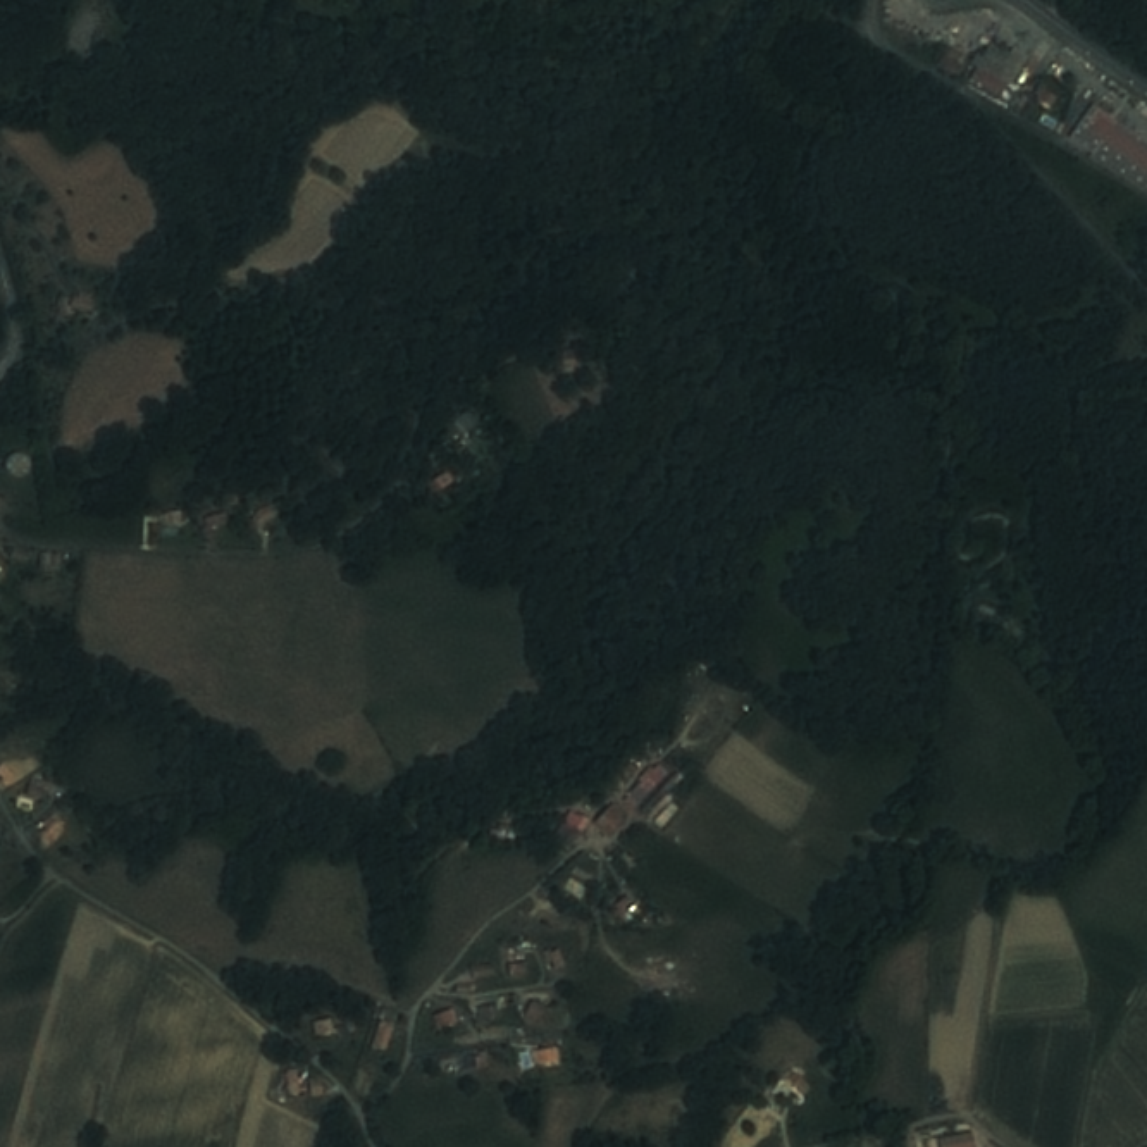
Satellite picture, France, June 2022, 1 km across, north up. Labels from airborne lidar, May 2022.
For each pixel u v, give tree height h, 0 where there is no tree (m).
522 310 29
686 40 29
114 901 0
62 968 0
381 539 15
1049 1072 0
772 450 24
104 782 0
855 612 21
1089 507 17
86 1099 0
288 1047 17
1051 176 0
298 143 19
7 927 0
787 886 0
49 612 6
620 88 20
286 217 21
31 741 0
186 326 7
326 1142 19
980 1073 0
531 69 30
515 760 22
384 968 12
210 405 22
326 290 18
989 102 0
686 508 29
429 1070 15
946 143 21
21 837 0
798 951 26
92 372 0
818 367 15
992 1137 0
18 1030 0
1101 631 6
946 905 0
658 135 24
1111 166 0
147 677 11
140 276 22
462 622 0
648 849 0
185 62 31
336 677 0
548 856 11
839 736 27
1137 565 22
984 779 0
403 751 0
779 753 0
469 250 19
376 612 0
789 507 20
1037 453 20
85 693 22
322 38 28
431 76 25
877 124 25
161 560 0
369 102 19
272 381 11
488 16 16
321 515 13
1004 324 14
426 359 25
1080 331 13
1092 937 0
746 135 25
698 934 0
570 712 26
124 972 0
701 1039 0
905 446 30
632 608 25
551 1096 0
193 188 24
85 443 0
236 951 0
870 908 26
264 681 0
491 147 19
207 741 21
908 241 27
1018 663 23
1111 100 0
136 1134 0
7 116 15
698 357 12
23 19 23
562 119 8
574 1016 0
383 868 21
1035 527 18
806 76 20
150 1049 0
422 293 18
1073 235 14
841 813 0
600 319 22
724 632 25
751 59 33
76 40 0
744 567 12
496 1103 0
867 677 26
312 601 0
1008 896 20
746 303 11
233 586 0
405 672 0
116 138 20
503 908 0
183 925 0
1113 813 16
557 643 22
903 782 0
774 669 0
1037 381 25
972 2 0
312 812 28
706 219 14
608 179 22
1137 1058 0
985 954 0
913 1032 0
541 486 27
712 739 0
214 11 21
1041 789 0
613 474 19
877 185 21
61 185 0
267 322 21
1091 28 16
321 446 14
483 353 19
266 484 8
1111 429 21
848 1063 30
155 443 17
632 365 19
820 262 23
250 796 25
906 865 18
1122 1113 0
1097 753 9
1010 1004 0
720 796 0
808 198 18
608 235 22
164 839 21
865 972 19
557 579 23
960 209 27
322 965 0
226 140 19
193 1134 0
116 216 0
